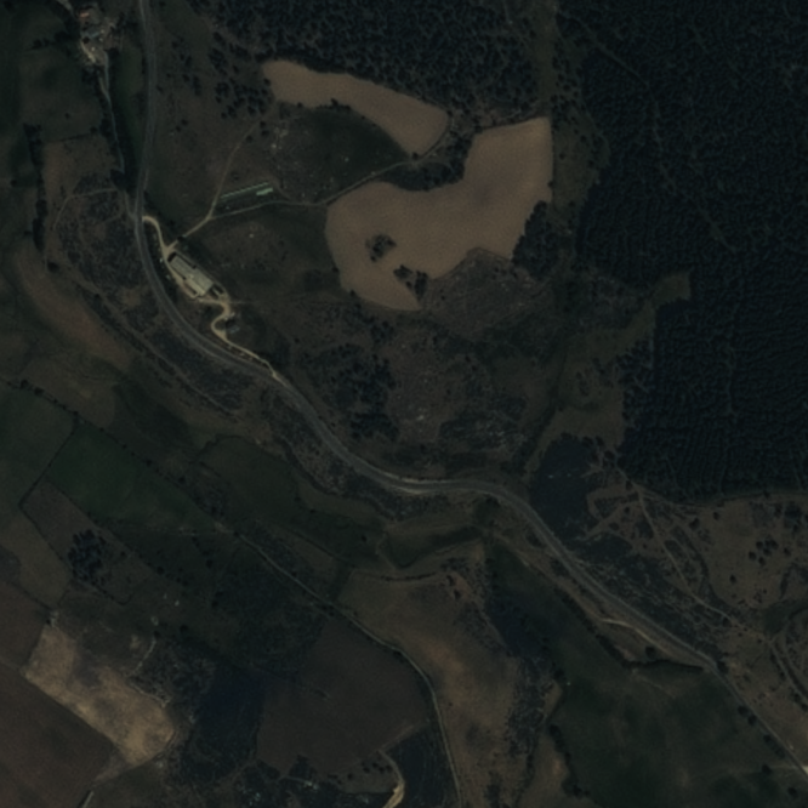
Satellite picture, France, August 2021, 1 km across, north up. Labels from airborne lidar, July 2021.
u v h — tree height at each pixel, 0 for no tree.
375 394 13
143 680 0
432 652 0
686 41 26
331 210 0
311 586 0
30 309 0
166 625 0
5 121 0
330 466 0
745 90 20
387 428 17
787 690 0
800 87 19
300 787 0
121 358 0
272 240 0
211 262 0
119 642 0
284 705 0
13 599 0
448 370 0
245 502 0
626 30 21
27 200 0
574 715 0
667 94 17
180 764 0
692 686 0
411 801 0
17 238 0
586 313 0
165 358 0
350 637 0
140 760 0
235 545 0
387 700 0
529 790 0
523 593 0
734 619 0
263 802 0
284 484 0
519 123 0
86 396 0
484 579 0
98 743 0
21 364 0
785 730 0
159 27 0
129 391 0
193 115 0
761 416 20
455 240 0
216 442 0
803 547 0
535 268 13
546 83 0
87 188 0
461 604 0
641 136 6
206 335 0
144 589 0
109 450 0
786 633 0
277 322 0
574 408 0
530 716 0
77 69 0
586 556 0
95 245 0
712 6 20
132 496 0
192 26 0
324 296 0
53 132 0
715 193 24
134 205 0
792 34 17
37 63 0
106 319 0
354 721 0
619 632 0
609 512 0
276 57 11
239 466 0
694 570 0
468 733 0
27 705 0
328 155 0
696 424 19
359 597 0
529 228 14
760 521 0
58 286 0
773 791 0
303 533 0
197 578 0
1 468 0
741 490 12
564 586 0
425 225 0
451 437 0
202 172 0
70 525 0
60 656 0
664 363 15
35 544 0
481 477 0
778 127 25
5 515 0
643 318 0
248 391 0
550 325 0
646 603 0
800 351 17
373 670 0
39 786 0
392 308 0
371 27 13
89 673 0
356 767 0
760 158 20
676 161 17
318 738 0
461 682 0
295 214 0
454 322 0
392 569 0
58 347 0
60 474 0
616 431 0
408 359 0
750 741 0
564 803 0
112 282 0
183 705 0
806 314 17
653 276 20
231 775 0
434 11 9
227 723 0
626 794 0
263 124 9
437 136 0
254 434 0
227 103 0
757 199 26
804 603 0
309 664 0
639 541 0
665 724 0
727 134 15
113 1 0
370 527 0
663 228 17
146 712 0
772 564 0
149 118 0
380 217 0
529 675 0
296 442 0
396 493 0
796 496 0
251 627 0
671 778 0
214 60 12
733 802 0
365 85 0
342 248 0
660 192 17
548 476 0
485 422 0
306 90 0
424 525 0
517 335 0
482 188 0
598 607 0
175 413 0
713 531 0
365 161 0
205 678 0
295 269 0
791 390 14
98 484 0
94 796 0
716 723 0
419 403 0
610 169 6
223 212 0
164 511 0
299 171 0
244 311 0
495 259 0
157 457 0
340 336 0
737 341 16
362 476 0
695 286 20
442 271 0
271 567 0
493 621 0
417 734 0
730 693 0
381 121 0
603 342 0
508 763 0
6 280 0
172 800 0
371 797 0
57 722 0
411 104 0
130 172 11
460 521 0
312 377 0
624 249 17
